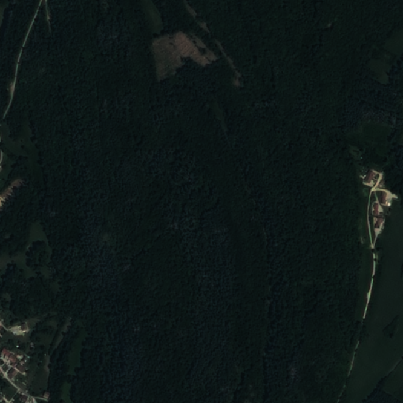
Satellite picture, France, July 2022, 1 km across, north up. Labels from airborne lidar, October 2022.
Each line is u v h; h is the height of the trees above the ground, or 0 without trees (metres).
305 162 15
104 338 14
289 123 15
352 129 31
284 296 20
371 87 8
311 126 21
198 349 19
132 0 26
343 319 23
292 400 10
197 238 17
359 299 13
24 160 21
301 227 19
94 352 23
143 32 31
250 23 26
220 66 17
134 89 18
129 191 18
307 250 20
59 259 26
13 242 14
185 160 13
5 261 0
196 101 25
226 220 17
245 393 14
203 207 21
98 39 19
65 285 15
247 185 8
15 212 24
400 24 15
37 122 10
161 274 11
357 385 0
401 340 0
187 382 11
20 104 7
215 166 15
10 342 10
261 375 9
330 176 11
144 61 21
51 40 17
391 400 24
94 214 15
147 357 12
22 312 12
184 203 12
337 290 13
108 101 14
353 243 17
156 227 10
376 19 19
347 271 15
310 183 16
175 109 24
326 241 17
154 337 14
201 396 12
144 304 11
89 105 12
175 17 20
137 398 9
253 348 10
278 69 20
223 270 30
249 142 14
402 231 0
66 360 17
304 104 19
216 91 18
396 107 24
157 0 17
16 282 17
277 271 19
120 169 21
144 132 23
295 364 25
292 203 18
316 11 9
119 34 21
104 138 15
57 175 12
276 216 13
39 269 17
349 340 7
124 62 21
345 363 13
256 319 11
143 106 13
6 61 10
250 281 8
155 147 17
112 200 12
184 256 9
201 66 18
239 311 15
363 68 25
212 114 25
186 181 6
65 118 9
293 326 9
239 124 16
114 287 13
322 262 12
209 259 16
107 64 20
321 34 13
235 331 11
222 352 16
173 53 0
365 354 0
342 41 16
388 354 0
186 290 10
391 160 6
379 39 20
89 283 20
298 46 16
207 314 18
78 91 12
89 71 13
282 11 15
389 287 0
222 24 17
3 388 12
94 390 20
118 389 32
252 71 17
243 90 21
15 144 0
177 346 10
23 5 7
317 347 14
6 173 0
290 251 18
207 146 16
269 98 12
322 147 11
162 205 13
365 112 30
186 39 0
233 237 20
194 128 14
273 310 21
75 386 28
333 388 14
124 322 11
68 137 10
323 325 17
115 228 11
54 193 18
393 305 0
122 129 20
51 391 10
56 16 11
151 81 22
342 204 15
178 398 12
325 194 16
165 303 15
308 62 13
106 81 21
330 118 11
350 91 23
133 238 13
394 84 21
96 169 10
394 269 0
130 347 24
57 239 19
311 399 10
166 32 19
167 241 16
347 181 13
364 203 0
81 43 18
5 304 11
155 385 9
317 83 17
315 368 12
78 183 11
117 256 11
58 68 17
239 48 18
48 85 9
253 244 13
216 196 24
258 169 14
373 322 0
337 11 19
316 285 15
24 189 20
